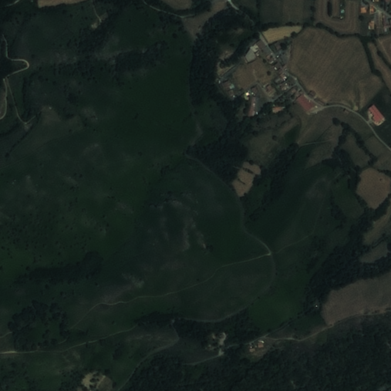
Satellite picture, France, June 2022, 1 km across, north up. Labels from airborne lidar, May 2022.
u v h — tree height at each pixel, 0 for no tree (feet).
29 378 27
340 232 0
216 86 57
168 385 78
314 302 38
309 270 29
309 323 0
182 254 0
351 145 0
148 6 22
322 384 32
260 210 22
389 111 0
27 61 0
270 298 0
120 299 0
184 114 0
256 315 0
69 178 0
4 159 0
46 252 0
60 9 27
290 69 0
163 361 43
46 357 0
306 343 0
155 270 0
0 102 0
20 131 0
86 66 30
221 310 0
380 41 0
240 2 0
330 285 71
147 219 0
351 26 0
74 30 0
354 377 49
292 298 0
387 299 0
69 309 0
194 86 52
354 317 0
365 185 0
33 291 0
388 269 44
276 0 0
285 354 41
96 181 0
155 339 0
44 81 22
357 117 0
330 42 0
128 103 0
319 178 0
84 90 0
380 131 0
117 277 0
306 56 0
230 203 0
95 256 21
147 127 0
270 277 0
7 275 0
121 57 40
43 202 0
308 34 0
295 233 0
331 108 0
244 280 0
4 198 0
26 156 0
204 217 0
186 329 24
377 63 0
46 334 17
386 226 0
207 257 0
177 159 0
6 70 37
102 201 0
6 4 41
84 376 30
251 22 25
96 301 0
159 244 0
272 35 0
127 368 0
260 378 55
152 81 0
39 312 60
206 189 0
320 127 0
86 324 0
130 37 0
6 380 35
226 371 48
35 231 20
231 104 56
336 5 0
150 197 0
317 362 47
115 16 44
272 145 0
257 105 0
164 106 0
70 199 0
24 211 0
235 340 33
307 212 0
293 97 33
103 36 47
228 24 72
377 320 0
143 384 75
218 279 0
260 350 0
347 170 36
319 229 0
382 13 0
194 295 0
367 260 0
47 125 0
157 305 0
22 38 0
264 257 0
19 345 38
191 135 0
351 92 0
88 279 44
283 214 0
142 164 0
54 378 0
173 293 0
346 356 47
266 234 0
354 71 0
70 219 0
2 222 0
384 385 60
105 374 24
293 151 38
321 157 0
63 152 0
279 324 0
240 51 70
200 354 0
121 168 0
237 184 0
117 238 0
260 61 0
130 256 0
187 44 0
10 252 20
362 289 0
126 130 0
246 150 51
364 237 35
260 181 31
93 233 0
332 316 0
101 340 20
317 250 21
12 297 0
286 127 0
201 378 34
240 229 0
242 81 0
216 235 0
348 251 63
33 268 0
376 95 0
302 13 0
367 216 35
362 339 51
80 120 0
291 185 0
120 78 24
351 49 0
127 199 0
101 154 0
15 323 25
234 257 0
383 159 0
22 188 0
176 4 0
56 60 0
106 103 0
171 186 0
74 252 0
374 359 65
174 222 0
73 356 0
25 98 23
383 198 0
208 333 51
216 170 55
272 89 0
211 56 74
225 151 53
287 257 0
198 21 0
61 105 0
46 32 0
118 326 0
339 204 0
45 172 0
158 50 48
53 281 23
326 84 0
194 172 0
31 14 24
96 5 33
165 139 0
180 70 0
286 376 55
